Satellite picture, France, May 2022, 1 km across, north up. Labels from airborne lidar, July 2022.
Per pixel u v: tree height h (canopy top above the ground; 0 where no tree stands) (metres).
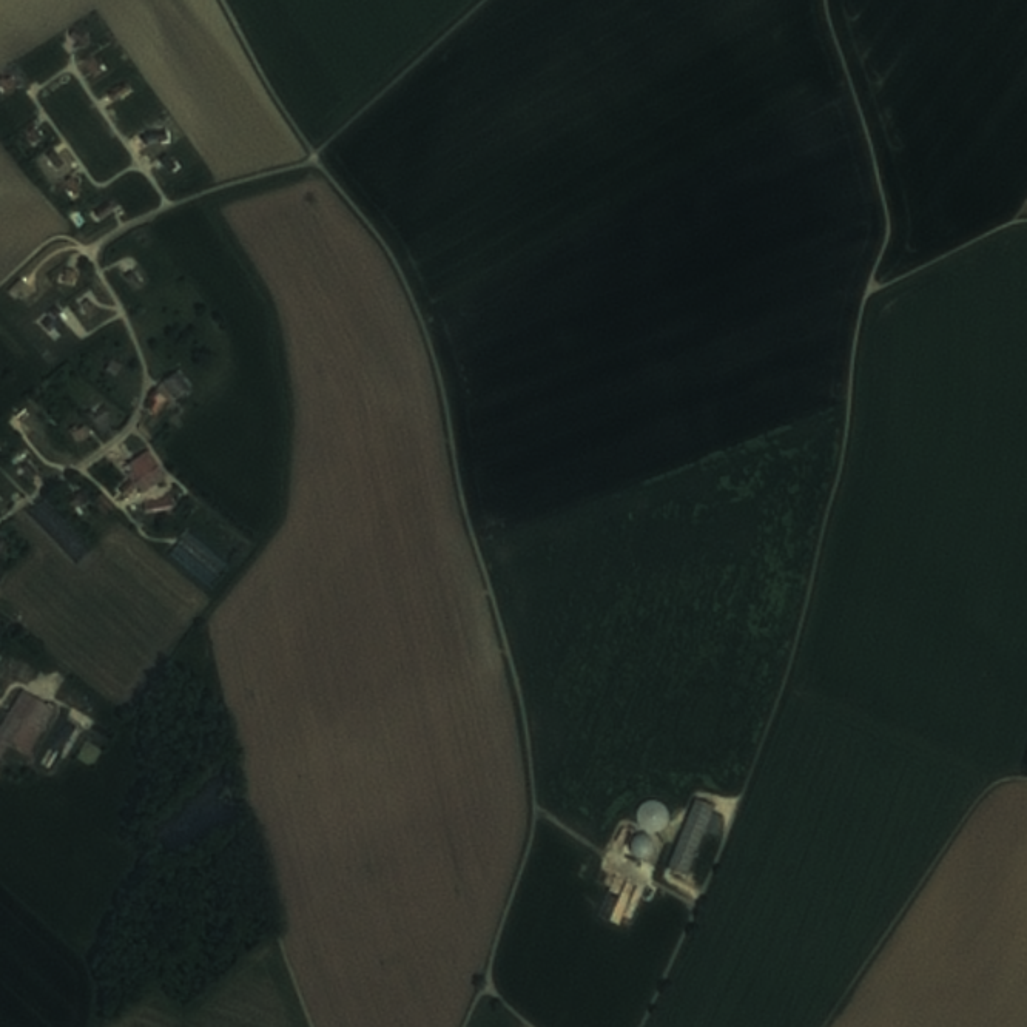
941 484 0
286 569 0
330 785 0
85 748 0
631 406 0
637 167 0
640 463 0
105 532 0
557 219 0
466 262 0
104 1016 13
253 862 40
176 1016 0
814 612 0
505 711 0
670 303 0
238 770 20
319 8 0
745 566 0
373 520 0
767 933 0
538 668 0
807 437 0
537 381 0
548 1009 0
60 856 0
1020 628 0
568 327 0
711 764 0
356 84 0
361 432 0
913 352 0
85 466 0
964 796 0
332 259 0
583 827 0
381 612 0
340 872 0
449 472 0
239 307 0
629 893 0
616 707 0
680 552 0
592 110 0
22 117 0
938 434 0
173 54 0
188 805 0
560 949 0
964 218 0
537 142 0
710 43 0
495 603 0
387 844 0
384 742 0
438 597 0
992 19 0
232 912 35
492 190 0
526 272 0
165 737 32
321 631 0
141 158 0
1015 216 0
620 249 0
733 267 0
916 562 0
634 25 0
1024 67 0
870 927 0
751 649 0
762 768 0
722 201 0
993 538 0
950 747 0
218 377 0
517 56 0
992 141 0
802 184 0
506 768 0
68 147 0
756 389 0
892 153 0
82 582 0
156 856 30
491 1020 0
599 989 0
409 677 0
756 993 0
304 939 0
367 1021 0
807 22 0
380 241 0
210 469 0
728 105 0
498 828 0
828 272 0
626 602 0
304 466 0
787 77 0
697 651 0
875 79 0
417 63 0
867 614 0
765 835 0
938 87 0
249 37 0
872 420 0
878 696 0
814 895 0
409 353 0
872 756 0
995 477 0
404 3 0
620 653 0
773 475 0
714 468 0
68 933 0
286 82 0
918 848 0
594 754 0
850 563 0
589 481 0
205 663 0
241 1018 0
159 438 6
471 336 0
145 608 0
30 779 9
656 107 0
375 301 0
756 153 0
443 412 0
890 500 0
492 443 0
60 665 0
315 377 0
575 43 0
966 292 0
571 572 0
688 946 0
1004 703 0
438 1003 0
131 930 28
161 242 0
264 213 0
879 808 0
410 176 0
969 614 0
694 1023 0
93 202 0
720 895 0
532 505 0
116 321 0
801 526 0
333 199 0
